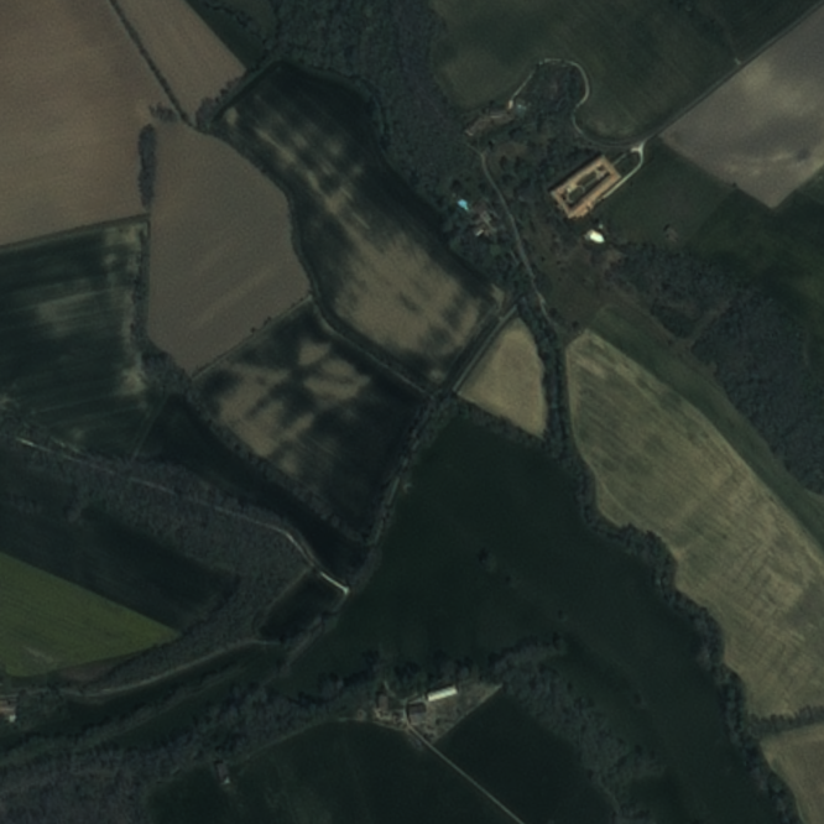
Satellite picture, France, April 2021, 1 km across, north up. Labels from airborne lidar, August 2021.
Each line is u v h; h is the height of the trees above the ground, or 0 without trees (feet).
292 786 0
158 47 0
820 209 0
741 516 0
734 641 0
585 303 0
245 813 0
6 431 41
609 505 0
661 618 0
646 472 0
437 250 0
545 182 27
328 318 25
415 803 0
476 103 0
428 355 0
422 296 0
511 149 0
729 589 0
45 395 0
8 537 0
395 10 77
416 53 65
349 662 0
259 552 56
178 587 0
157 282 0
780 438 45
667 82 0
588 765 36
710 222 0
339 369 0
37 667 0
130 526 30
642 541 55
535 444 35
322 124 0
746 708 72
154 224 0
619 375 0
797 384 62
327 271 0
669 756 0
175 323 0
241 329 0
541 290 39
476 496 0
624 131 0
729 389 27
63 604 0
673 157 0
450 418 48
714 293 65
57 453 60
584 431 0
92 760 27
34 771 52
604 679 0
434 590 0
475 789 0
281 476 56
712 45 0
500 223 37
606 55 0
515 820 0
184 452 0
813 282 0
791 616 0
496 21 0
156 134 57
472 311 0
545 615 0
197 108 0
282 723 42
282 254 0
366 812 0
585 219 0
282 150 0
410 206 0
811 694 0
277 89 0
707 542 0
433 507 0
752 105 0
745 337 62
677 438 0
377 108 62
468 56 0
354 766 0
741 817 0
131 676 44
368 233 0
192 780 0
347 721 0
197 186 0
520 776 0
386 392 0
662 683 0
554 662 0
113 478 67
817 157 0
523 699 46
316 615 0
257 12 0
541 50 0
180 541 37
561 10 0
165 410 0
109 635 0
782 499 0
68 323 0
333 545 0
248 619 72
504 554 0
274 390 0
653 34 0
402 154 46
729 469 0
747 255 0
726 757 0
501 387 0
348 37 72
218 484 0
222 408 0
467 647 0
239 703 35
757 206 0
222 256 0
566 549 0
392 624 0
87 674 0
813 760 0
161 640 0
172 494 68
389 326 0
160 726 0
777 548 0
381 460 0
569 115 34
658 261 67
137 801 35
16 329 0
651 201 0
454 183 55
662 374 0
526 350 0
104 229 0
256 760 0
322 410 0
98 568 0
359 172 0
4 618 0
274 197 0
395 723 0
